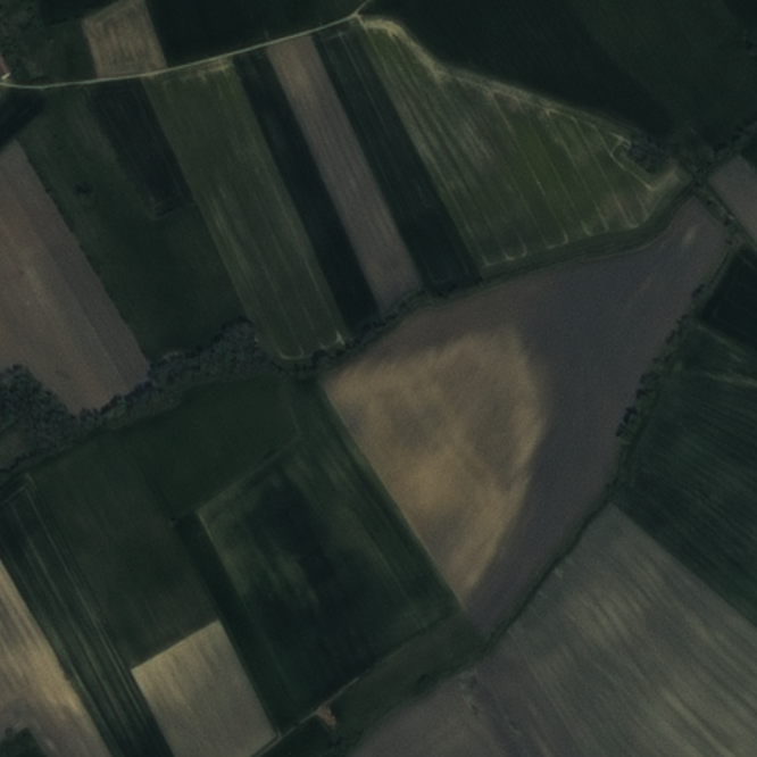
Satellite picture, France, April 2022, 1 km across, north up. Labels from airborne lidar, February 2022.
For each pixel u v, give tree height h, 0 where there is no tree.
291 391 0
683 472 0
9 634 0
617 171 0
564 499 0
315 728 0
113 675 0
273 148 0
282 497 0
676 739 0
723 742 0
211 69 0
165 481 0
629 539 0
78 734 0
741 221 0
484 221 0
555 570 0
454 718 0
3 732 0
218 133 0
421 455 0
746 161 0
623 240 0
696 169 0
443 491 0
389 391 0
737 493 0
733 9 0
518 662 0
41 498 0
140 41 0
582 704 0
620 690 0
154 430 0
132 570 0
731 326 0
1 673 0
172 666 0
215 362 21
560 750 0
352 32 0
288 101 0
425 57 0
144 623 0
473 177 0
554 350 0
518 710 0
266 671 0
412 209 0
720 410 0
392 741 0
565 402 0
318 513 0
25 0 9
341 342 0
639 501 0
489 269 0
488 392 0
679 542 0
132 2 0
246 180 0
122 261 0
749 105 0
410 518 0
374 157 0
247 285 0
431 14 0
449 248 0
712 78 0
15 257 0
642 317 0
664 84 0
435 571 0
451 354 0
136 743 0
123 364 0
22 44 0
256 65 0
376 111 0
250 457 0
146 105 0
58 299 0
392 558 0
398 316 8
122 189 0
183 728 0
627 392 0
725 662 0
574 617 0
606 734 0
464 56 0
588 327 0
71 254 0
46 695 0
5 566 0
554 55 0
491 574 0
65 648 0
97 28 0
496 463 0
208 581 0
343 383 0
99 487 0
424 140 0
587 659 0
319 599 0
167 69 0
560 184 0
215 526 0
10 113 0
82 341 0
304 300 0
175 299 0
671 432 0
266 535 0
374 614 0
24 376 17
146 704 0
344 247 0
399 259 0
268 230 0
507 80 0
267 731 0
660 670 0
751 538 0
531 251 0
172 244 0
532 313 0
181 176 0
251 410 0
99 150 0
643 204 0
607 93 0
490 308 0
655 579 0
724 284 0
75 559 0
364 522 0
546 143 0
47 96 0
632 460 0
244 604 0
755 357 0
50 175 0
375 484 0
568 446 0
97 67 0
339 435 0
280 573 0
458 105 0
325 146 0
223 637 0
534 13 0
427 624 0
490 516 0
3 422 0
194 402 0
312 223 0
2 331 0
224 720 0
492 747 0
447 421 0
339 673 0
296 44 0
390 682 0
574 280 0
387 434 0
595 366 0
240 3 0
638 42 0
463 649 0
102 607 0
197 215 0
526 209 0
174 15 0
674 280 0
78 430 22
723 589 0
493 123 0
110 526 0
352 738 0
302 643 0
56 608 0
